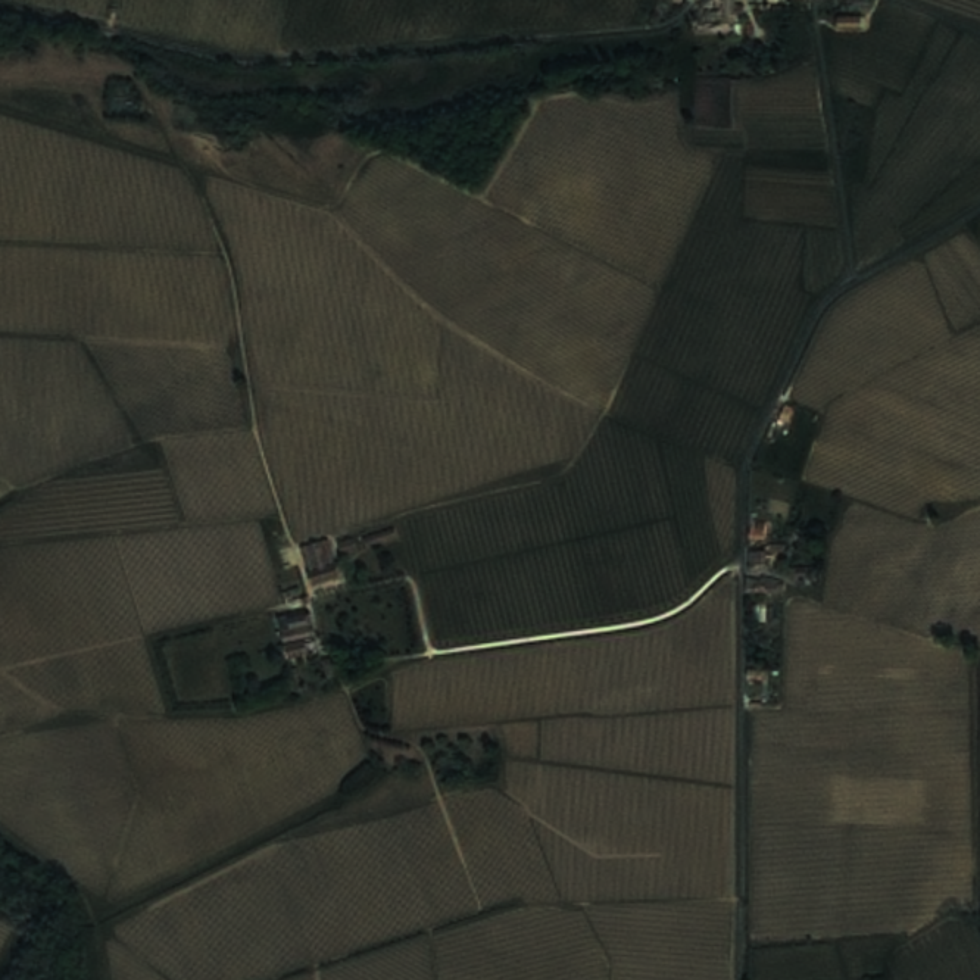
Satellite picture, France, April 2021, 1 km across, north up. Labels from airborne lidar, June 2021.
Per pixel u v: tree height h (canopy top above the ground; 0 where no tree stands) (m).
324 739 0
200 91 7
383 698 0
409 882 0
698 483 0
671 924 0
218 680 0
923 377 0
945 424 0
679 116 0
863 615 0
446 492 0
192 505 0
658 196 0
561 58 0
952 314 0
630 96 9
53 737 0
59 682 0
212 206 0
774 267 0
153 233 0
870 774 0
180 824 0
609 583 0
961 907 14
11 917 20
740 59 16
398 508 0
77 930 15
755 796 0
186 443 0
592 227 0
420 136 25
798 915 0
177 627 0
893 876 0
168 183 0
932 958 0
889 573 0
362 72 6
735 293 0
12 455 0
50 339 0
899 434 0
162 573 0
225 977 0
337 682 8
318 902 0
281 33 0
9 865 16
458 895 0
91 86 0
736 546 0
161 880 0
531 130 0
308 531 0
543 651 0
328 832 0
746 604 8
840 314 0
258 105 6
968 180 0
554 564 0
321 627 11
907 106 0
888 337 0
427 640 0
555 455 0
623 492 0
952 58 0
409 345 0
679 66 0
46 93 0
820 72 0
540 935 0
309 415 0
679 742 0
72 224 0
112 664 0
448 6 0
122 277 0
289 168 0
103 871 0
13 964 10
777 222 0
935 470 0
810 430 0
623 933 0
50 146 0
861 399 0
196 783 0
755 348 0
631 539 0
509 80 6
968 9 0
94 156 0
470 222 0
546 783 0
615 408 0
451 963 0
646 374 0
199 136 0
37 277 0
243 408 0
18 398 0
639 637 0
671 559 0
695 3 0
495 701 0
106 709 0
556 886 0
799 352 0
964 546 0
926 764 0
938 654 0
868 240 0
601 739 0
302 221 0
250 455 0
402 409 0
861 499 0
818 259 0
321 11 0
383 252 0
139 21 0
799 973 0
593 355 0
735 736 0
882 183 0
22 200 0
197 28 0
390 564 9
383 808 0
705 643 0
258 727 0
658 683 0
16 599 0
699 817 0
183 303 0
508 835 0
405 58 14
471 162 18
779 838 0
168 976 0
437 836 0
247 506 0
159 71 16
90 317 0
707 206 0
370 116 8
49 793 0
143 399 0
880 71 0
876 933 0
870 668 0
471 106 16
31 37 20
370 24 0
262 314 0
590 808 0
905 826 0
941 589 0
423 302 0
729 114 0
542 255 0
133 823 0
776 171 0
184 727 0
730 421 0
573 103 0
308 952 0
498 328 0
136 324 0
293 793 0
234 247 0
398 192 0
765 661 6
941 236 0
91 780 0
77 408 0
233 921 0
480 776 7
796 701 0
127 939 0
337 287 0
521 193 0
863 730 0
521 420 0
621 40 0
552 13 0
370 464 0
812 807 0
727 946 0
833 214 0
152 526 0
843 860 0
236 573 0
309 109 13
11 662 0
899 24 0
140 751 0
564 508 0
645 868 0
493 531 0
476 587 0
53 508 0
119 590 0
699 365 0
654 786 0
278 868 0
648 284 0
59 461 0
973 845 0
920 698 0
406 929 0
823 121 0
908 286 0
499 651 0
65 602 0
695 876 0
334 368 0
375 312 0
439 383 0
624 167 0
